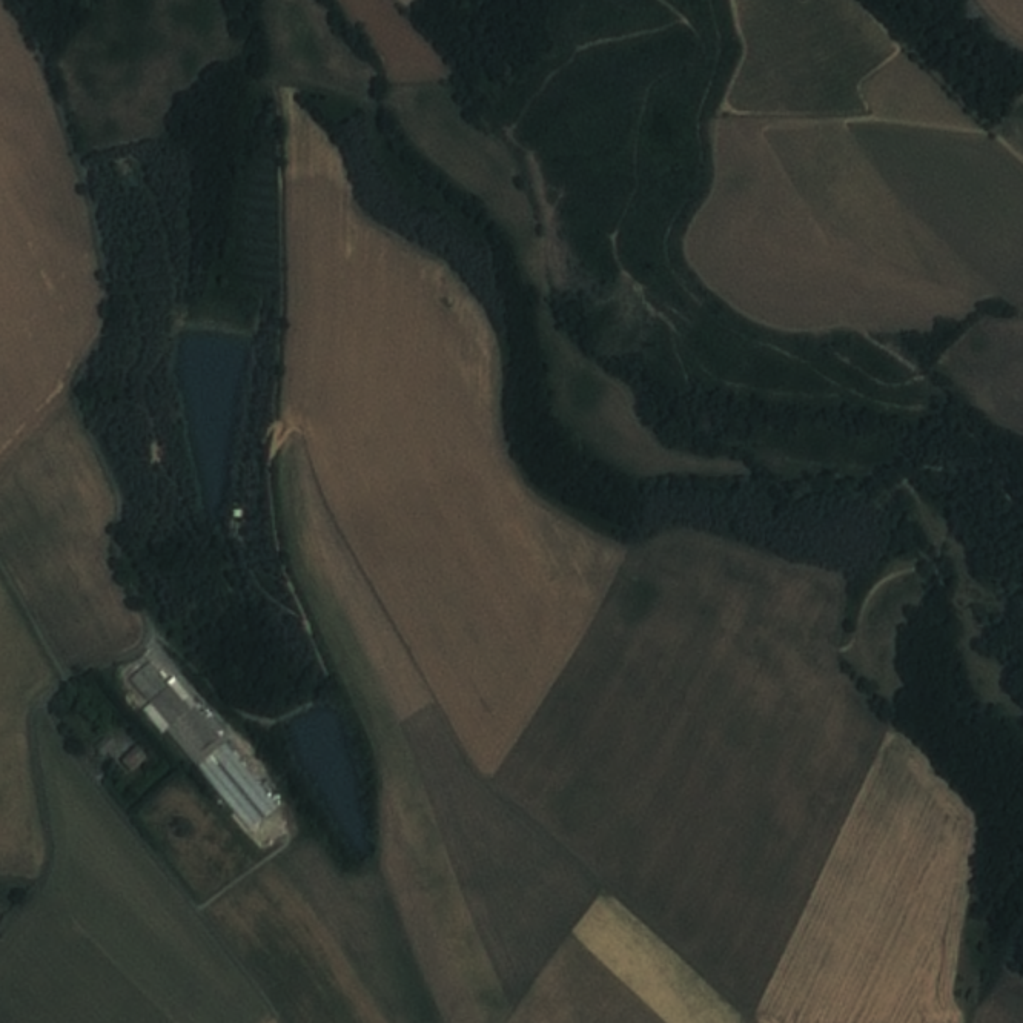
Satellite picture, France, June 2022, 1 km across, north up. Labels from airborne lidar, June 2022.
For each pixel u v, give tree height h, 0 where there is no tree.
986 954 9
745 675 0
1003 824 23
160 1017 0
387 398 0
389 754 0
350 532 0
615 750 0
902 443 7
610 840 0
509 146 0
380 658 0
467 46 15
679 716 0
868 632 0
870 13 17
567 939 0
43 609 0
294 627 18
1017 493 27
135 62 0
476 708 0
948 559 22
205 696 6
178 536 18
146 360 11
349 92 0
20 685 0
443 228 19
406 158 19
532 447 19
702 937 0
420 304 0
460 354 0
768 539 20
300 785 18
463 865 0
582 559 0
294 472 0
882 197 0
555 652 0
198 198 20
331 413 0
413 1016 0
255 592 20
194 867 0
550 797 0
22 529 0
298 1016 0
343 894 0
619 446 0
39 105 0
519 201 0
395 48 0
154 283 15
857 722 0
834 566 15
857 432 22
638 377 18
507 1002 0
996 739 35
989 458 25
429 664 0
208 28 0
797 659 0
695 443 11
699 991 0
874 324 0
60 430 0
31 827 0
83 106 0
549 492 8
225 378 0
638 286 0
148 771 7
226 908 0
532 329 22
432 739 0
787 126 0
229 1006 0
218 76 22
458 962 0
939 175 0
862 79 0
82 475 0
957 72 12
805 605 0
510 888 0
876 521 20
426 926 0
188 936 0
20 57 0
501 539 0
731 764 0
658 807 0
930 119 0
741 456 14
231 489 17
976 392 0
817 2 0
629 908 0
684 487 17
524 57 20
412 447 0
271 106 20
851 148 0
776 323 0
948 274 0
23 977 0
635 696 0
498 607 0
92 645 0
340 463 0
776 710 0
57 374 0
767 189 0
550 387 10
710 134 0
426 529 0
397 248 0
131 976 0
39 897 0
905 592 0
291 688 7
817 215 0
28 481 0
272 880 0
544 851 0
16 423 0
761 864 0
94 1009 0
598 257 0
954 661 19
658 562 0
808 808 0
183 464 16
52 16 7
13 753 0
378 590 0
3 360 0
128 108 0
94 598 0
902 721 20
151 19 0
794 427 16
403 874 0
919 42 14
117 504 0
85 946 0
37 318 0
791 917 0
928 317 0
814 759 0
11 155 0
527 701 0
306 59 0
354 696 0
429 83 0
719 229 0
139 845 0
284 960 0
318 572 0
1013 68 16
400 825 0
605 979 0
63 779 0
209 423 0
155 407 12
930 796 0
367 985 0
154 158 14
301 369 0
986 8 0
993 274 0
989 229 0
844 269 0
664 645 0
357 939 0
